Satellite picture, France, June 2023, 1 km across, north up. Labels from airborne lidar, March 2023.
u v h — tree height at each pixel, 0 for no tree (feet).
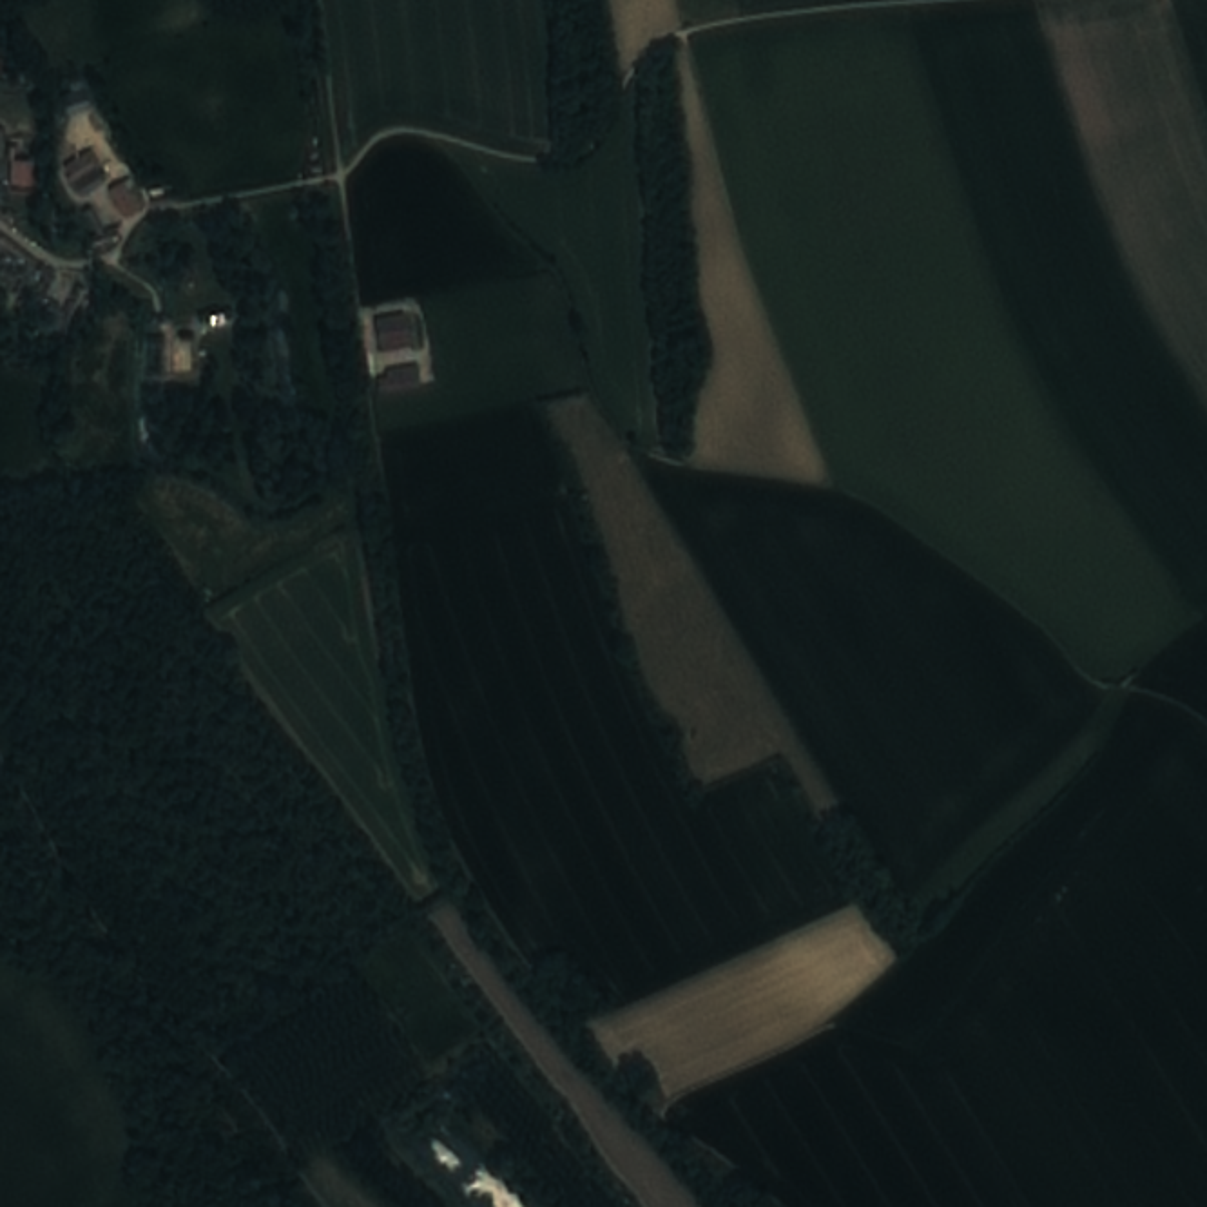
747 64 0
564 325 0
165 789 39
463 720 0
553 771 0
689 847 0
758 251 0
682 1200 0
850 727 0
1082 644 0
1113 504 0
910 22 0
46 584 31
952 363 0
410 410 0
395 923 31
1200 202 0
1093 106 0
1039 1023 0
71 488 73
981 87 0
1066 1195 0
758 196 0
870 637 0
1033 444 0
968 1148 0
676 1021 0
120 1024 27
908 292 0
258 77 0
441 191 0
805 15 0
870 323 0
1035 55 0
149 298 0
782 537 0
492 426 0
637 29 0
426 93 0
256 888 42
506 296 0
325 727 0
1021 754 0
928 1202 0
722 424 0
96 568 57
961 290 0
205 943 56
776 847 0
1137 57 0
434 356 0
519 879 0
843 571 0
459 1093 44
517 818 0
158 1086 66
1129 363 0
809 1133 0
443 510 0
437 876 51
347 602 0
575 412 0
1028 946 0
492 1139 0
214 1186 73
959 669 0
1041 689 0
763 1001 0
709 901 0
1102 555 0
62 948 73
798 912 0
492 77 0
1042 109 0
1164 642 0
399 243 0
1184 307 0
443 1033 0
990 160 0
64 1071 0
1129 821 0
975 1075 0
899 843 0
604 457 0
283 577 0
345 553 0
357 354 55
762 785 0
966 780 0
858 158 0
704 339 31
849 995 0
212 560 0
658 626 0
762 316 0
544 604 0
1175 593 0
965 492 0
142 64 0
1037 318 0
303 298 0
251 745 43
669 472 0
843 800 0
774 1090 0
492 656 0
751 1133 0
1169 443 0
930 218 0
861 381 0
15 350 31
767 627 0
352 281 54
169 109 0
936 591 0
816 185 0
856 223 0
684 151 42
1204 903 0
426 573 0
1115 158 0
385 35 0
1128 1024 0
